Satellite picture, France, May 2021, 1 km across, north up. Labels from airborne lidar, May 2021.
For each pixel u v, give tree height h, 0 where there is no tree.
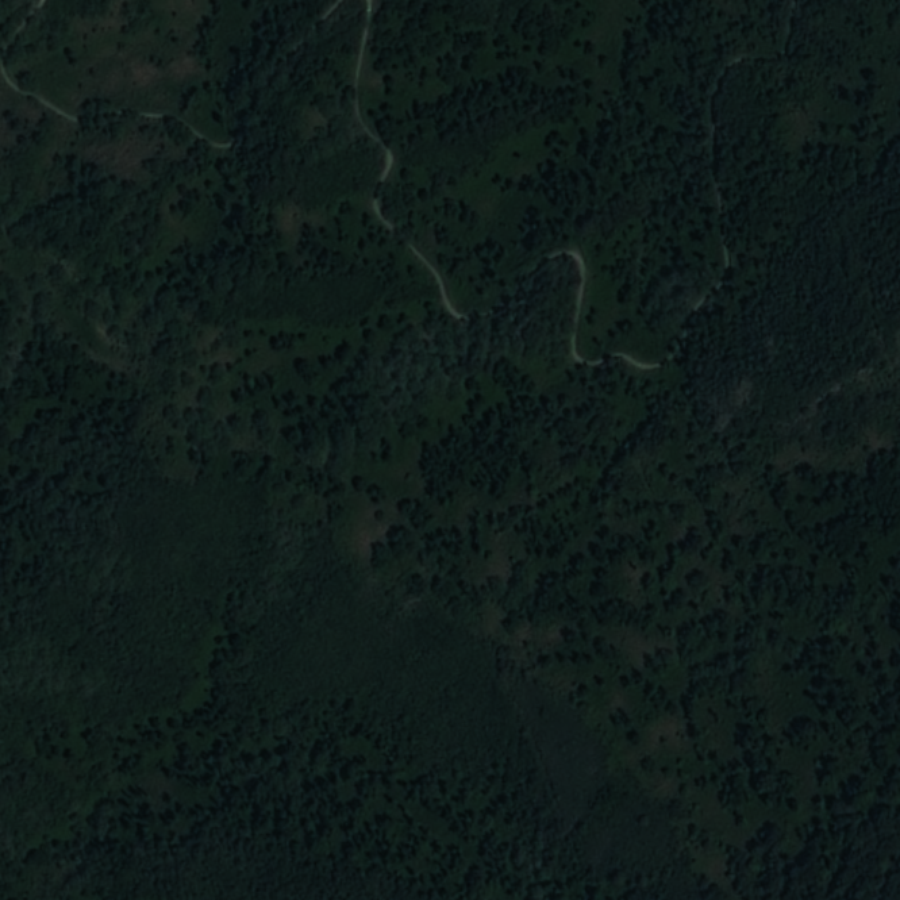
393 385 24
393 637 8
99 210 23
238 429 23
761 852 18
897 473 12
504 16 19
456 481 23
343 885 13
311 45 11
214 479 9
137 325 8
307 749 26
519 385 27
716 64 7
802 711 0
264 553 8
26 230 20
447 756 8
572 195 25
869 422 7
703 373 9
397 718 9
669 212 24
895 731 18
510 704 8
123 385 14
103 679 14
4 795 15
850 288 10
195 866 9
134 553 9
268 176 9
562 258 9
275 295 8
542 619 23
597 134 6
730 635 19
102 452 19
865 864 20
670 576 24
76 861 24
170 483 8
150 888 7
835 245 6
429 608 7
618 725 16
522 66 7
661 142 19
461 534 23
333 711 8
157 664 8
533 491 12
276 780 28
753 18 10
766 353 8
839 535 20
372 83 0
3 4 9
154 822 26
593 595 10
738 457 16
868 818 16
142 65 0
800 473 9
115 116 14
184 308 16
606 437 15
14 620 12
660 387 7
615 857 7
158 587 9
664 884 8
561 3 23
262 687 11
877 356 15
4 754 9
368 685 6
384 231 13
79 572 12
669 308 29
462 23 13
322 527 13
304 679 6
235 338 21
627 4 0
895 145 15
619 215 13
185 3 0
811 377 12
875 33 8
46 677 16
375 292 8
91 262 8
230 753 26
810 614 15
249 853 8
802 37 6
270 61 20
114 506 13
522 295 10
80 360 7
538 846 17
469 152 8
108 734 16
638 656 0
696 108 15
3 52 18
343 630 7
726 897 25
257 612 19
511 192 6
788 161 8
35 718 7
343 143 20
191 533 8
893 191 14
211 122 0
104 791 11
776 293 11
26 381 18
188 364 13
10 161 5
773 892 24
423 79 17
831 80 10
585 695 15
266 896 17
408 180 21
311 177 9
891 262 7
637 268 20
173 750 0
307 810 21
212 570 8
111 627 9
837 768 24
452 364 21
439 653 9
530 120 12
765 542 14
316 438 22
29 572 15
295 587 11
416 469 0
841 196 8
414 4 16
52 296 16
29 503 13
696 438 13
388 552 22
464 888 8
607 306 0
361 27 13
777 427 6
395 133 18
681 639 13
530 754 10
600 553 23
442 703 10
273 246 16
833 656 22
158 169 13
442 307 6
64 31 15
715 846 13
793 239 6
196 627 14
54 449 20
